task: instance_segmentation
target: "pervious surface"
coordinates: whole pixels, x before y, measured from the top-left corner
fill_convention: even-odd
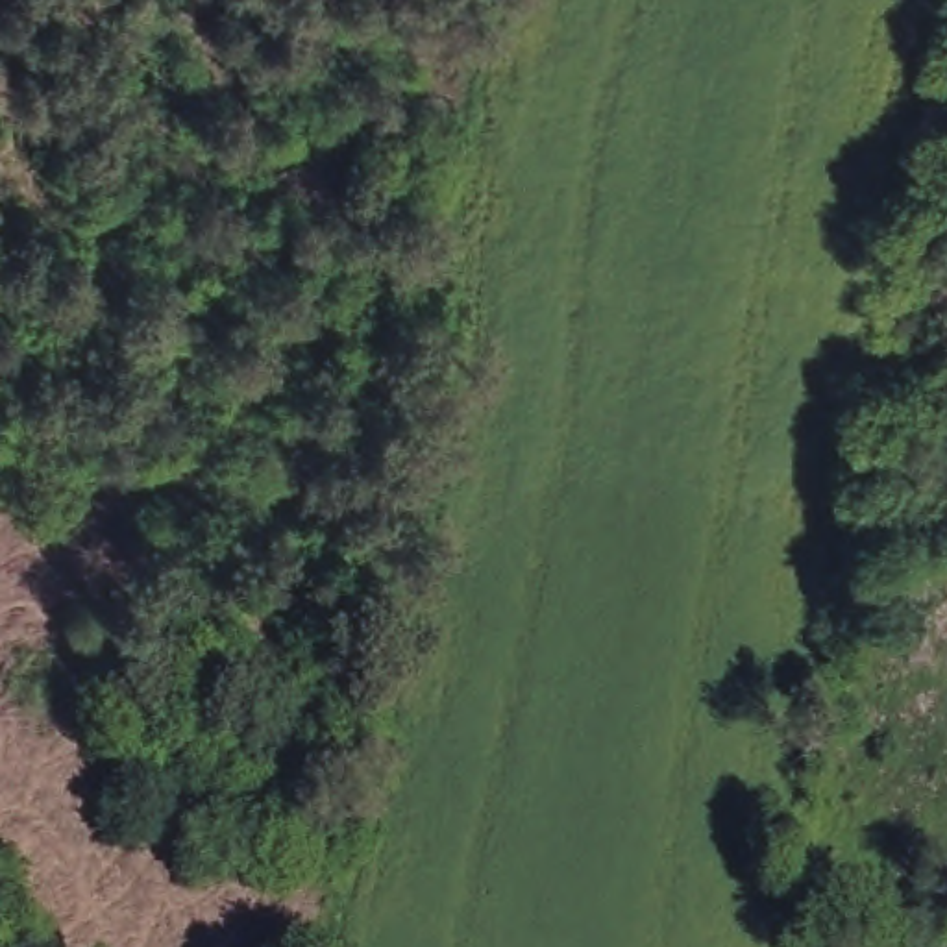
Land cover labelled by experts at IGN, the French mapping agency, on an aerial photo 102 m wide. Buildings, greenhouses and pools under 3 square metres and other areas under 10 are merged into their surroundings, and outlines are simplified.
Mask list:
[[[52,736],[22,736],[18,707],[0,718],[0,840],[15,843],[15,851],[26,858],[26,892],[41,910],[55,917],[67,947],[274,947],[292,917],[314,921],[326,906],[326,892],[292,892],[281,906],[259,906],[263,899],[248,884],[211,880],[200,888],[181,888],[166,877],[163,862],[152,851],[122,851],[92,840],[85,818],[100,810],[100,795],[118,781],[118,758],[96,758],[81,766],[78,744],[63,736],[78,721],[78,684],[85,677],[85,655],[70,644],[70,633],[78,625],[74,603],[92,581],[100,581],[100,573],[115,559],[115,547],[122,540],[118,499],[126,488],[96,488],[85,522],[67,540],[48,544],[44,551],[0,510],[0,655],[11,651],[11,644],[41,644],[48,636],[52,662],[44,666],[44,695],[48,718],[55,721]]]

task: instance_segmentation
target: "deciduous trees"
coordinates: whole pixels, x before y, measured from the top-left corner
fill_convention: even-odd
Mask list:
[[[862,266],[843,270],[847,289],[840,296],[840,311],[832,314],[836,337],[855,337],[873,355],[947,344],[947,137],[910,152],[910,181],[899,196],[888,240],[877,244]]]
[[[15,851],[15,843],[0,840],[0,947],[67,947],[55,917],[41,910],[26,892],[26,858]]]
[[[910,917],[899,906],[895,866],[869,847],[862,862],[832,858],[825,892],[810,895],[799,917],[769,943],[769,947],[910,947]]]
[[[792,821],[792,829],[766,847],[766,892],[781,895],[803,873],[806,855],[818,847]]]
[[[370,322],[381,311],[422,303],[429,289],[448,296],[448,255],[440,252],[444,215],[437,211],[418,229],[400,229],[388,252],[366,248],[355,259],[318,263],[300,281],[300,292],[266,326],[259,326],[259,355],[233,377],[222,377],[218,366],[196,344],[189,348],[189,314],[200,314],[211,300],[222,296],[222,281],[196,281],[192,292],[174,292],[166,300],[159,322],[137,322],[126,333],[126,359],[133,363],[133,370],[155,374],[155,385],[122,411],[122,422],[115,429],[89,429],[81,418],[63,414],[11,422],[0,429],[0,510],[44,551],[48,544],[67,540],[85,522],[96,488],[126,488],[155,488],[185,477],[200,488],[233,488],[263,507],[277,503],[289,492],[281,459],[300,437],[300,414],[281,407],[277,418],[252,418],[244,403],[255,403],[285,385],[285,348],[307,344],[326,329],[337,329],[337,355],[344,366],[340,392],[355,396],[370,377]]]
[[[940,0],[936,44],[917,81],[917,92],[925,100],[947,100],[947,0]]]
[[[843,525],[858,525],[855,596],[869,603],[877,614],[895,614],[917,599],[929,610],[947,603],[947,363],[936,374],[910,385],[906,400],[884,400],[877,407],[858,407],[855,414],[840,418],[840,451],[847,462],[836,470],[836,518]]]
[[[63,736],[78,744],[81,766],[96,758],[118,758],[118,781],[100,795],[100,810],[85,818],[92,840],[122,851],[152,851],[163,862],[166,877],[181,888],[200,888],[211,880],[248,884],[259,869],[270,869],[292,892],[326,892],[333,884],[355,888],[359,873],[377,858],[385,843],[385,829],[377,821],[363,821],[355,829],[314,829],[281,803],[277,784],[270,781],[285,740],[333,740],[326,710],[344,699],[344,688],[337,688],[314,662],[311,636],[285,610],[289,592],[252,584],[244,599],[226,603],[211,596],[211,584],[200,573],[163,570],[155,577],[159,599],[141,599],[133,607],[133,618],[141,621],[141,640],[126,640],[122,647],[126,670],[118,670],[115,677],[85,677],[78,684],[78,721]]]

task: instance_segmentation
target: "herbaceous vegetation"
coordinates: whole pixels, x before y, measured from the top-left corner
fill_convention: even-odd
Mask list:
[[[825,740],[825,747],[806,755],[806,799],[799,803],[799,814],[792,821],[818,847],[829,847],[832,858],[862,862],[869,847],[866,829],[873,821],[910,821],[921,829],[921,855],[936,866],[947,862],[947,603],[929,610],[917,599],[895,614],[884,636],[843,647],[829,666],[814,673],[840,725]]]

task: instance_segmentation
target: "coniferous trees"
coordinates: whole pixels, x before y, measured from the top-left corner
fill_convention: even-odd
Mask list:
[[[910,917],[910,947],[947,947],[947,862],[936,866],[921,855],[921,829],[910,821],[873,821],[866,829],[869,847],[895,866],[899,906]]]
[[[218,366],[222,377],[233,377],[259,355],[259,326],[266,326],[300,292],[300,281],[318,263],[355,259],[366,248],[388,252],[400,229],[418,229],[437,211],[433,174],[455,163],[462,81],[485,55],[481,15],[492,0],[0,0],[0,429],[11,422],[63,414],[81,418],[89,429],[115,429],[122,422],[122,411],[155,385],[155,374],[133,370],[133,363],[126,359],[126,333],[137,322],[159,322],[166,300],[174,292],[192,292],[196,281],[222,281],[222,296],[211,300],[200,314],[189,314],[189,348],[196,344]]]
[[[351,925],[344,925],[344,914],[329,914],[326,906],[314,921],[292,917],[274,947],[351,947]]]
[[[862,137],[847,141],[829,163],[832,200],[821,211],[821,237],[829,255],[843,270],[862,266],[877,244],[888,240],[899,196],[910,181],[910,152],[947,137],[947,100],[925,100],[917,92],[917,81],[899,70],[899,85],[880,118]]]
[[[74,603],[78,625],[70,633],[70,644],[85,655],[85,677],[115,677],[118,670],[126,670],[122,647],[126,640],[141,640],[141,621],[133,618],[133,607],[141,599],[159,599],[155,577],[163,570],[200,573],[211,584],[211,596],[226,603],[244,599],[252,584],[289,592],[285,610],[311,636],[314,662],[337,688],[344,688],[344,699],[326,710],[333,740],[285,740],[270,781],[277,784],[281,803],[314,829],[355,829],[363,821],[377,821],[385,829],[396,825],[396,818],[407,806],[407,707],[425,695],[433,673],[440,673],[448,662],[444,629],[433,610],[429,588],[444,577],[462,573],[451,518],[462,503],[459,470],[474,440],[462,422],[474,414],[481,396],[499,392],[507,377],[503,359],[514,351],[514,333],[503,326],[496,303],[485,303],[485,311],[474,318],[462,318],[459,307],[448,303],[448,296],[429,289],[422,303],[381,311],[370,322],[370,377],[355,396],[340,392],[344,366],[337,355],[337,329],[326,329],[307,344],[285,348],[285,385],[255,403],[244,403],[252,418],[277,418],[281,407],[300,414],[300,437],[281,459],[289,492],[277,503],[263,507],[233,488],[200,488],[185,477],[155,488],[126,488],[118,499],[122,540],[115,547],[115,559],[100,573],[100,581],[92,581]]]
[[[806,359],[803,403],[792,422],[792,485],[799,496],[803,525],[788,547],[788,559],[803,592],[803,629],[792,640],[792,647],[777,658],[755,658],[751,651],[740,651],[725,677],[714,681],[703,695],[718,718],[744,718],[766,725],[784,751],[784,792],[773,795],[769,788],[747,788],[744,781],[725,777],[710,795],[710,836],[725,873],[736,880],[736,917],[747,936],[769,943],[799,917],[810,895],[825,892],[832,858],[829,847],[818,847],[806,855],[803,873],[781,895],[766,892],[766,847],[792,829],[792,821],[799,814],[799,803],[806,799],[806,755],[825,747],[825,740],[840,725],[814,673],[829,666],[843,647],[884,636],[895,614],[877,614],[869,603],[855,596],[858,525],[843,525],[836,518],[836,470],[847,462],[840,451],[840,418],[855,414],[858,407],[877,407],[884,400],[906,400],[910,385],[936,374],[947,363],[947,344],[873,355],[855,337],[836,337],[821,340],[818,351]]]

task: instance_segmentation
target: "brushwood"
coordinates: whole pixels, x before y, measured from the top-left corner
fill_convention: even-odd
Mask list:
[[[263,899],[259,906],[281,906],[292,892],[270,869],[259,869],[248,884]]]
[[[0,655],[0,718],[18,707],[22,736],[52,736],[55,721],[48,718],[44,695],[44,666],[52,662],[48,636],[41,644],[11,644],[11,651]]]

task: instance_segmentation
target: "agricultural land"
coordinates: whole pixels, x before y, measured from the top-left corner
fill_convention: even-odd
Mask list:
[[[444,577],[429,588],[433,610],[444,629],[448,662],[440,673],[433,673],[425,695],[407,707],[407,806],[396,818],[396,825],[385,829],[385,843],[377,858],[359,873],[355,888],[333,884],[326,892],[326,906],[329,914],[344,914],[344,925],[351,925],[351,947],[769,947],[769,943],[747,936],[736,917],[736,880],[725,873],[710,836],[710,795],[725,777],[744,781],[747,788],[769,788],[773,795],[784,792],[784,751],[766,725],[744,718],[718,718],[703,695],[714,681],[725,677],[740,651],[751,651],[755,658],[777,658],[792,647],[792,640],[803,629],[803,592],[788,559],[788,547],[803,525],[799,496],[792,485],[792,422],[803,403],[806,359],[818,351],[821,340],[836,337],[832,314],[840,311],[840,296],[847,289],[843,270],[829,255],[821,237],[821,211],[832,200],[829,163],[847,141],[862,137],[880,118],[899,85],[899,70],[917,81],[936,44],[940,0],[492,0],[481,15],[485,55],[462,81],[455,163],[433,174],[437,211],[444,215],[440,252],[448,255],[448,296],[448,303],[459,307],[462,318],[474,318],[485,311],[485,303],[496,303],[503,326],[514,333],[514,351],[503,359],[507,377],[499,392],[481,396],[474,414],[462,422],[474,440],[459,470],[462,503],[451,518],[462,573]]]

